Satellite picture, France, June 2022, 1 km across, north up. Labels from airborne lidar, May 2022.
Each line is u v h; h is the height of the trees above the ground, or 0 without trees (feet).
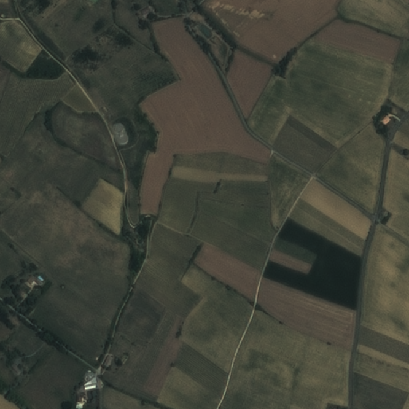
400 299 0
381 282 0
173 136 0
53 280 0
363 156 0
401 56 0
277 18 0
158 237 0
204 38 66
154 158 0
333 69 0
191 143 0
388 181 0
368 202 0
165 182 0
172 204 0
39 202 0
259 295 0
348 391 0
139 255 19
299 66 0
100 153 0
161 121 0
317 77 0
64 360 0
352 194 0
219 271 0
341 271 0
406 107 0
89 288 0
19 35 0
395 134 0
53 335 48
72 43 0
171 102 0
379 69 0
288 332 0
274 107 0
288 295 0
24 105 0
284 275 0
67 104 0
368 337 0
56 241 0
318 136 0
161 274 0
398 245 0
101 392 0
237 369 0
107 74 0
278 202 0
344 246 0
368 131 0
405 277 0
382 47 0
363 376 0
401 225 0
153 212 0
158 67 0
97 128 0
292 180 0
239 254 0
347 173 0
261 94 0
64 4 0
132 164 0
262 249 0
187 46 0
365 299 0
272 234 0
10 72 0
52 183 0
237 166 0
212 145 0
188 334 0
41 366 0
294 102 0
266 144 0
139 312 0
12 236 0
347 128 0
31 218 0
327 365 0
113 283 0
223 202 0
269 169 0
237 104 0
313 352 0
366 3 0
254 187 0
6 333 0
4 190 0
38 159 0
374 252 0
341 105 0
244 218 0
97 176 0
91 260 0
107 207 0
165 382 0
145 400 18
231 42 70
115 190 0
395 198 0
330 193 0
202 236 0
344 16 0
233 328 0
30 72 29
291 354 0
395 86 0
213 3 0
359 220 0
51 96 0
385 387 0
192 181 0
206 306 0
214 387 0
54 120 0
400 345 0
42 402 0
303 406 0
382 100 0
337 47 0
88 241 0
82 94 0
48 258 0
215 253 0
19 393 0
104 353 26
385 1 0
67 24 0
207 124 0
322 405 0
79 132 0
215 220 0
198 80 0
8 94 0
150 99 0
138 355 0
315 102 0
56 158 0
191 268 0
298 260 0
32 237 0
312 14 0
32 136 0
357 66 0
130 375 0
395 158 0
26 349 0
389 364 0
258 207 0
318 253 0
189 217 0
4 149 0
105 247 0
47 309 0
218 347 0
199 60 0
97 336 0
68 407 49
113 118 0
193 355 0
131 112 0
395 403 0
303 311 0
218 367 0
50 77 31
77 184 0
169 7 0
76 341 0
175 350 0
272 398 0
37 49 0
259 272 0
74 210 0
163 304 0
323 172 0
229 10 0
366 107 0
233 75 0
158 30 0
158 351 0
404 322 0
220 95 0
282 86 0
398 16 0
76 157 0
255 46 0
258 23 0
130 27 0
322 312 0
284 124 0
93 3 0
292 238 0
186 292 0
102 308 0
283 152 0
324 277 0
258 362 0
